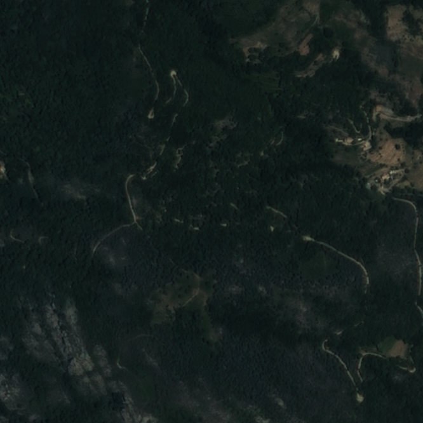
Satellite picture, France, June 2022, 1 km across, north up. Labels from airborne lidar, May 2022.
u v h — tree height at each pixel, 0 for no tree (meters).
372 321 13
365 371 10
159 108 11
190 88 8
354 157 0
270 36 0
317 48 10
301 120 16
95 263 18
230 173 15
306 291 7
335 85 16
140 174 8
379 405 7
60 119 17
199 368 9
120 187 10
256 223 11
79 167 7
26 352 10
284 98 15
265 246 14
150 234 10
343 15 0
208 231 11
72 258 10
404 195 10
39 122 17
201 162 10
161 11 14
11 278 11
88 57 10
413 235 9
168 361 7
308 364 6
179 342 7
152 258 11
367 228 8
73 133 13
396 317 8
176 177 17
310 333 12
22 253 12
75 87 18
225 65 23
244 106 17
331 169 19
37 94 23
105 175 6
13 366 16
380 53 0
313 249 14
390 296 18
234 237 11
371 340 19
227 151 9
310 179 8
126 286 11
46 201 15
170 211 15
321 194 13
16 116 0
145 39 15
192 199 23
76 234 11
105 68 9
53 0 6
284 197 12
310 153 16
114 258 0
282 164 20
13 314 11
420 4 19
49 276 8
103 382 0
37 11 14
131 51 6
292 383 8
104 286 6
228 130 12
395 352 0
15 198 25
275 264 9
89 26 12
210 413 0
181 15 18
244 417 7
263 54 16
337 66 14
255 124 15
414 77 0
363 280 15
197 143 11
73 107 18
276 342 7
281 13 0
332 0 0
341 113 10
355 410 8
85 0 11
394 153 0
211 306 12
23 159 16
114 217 14
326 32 24
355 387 7
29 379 11
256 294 16
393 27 0
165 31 23
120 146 15
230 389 8
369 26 8
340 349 14
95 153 12
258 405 8
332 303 8
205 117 10
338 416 11
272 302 8
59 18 12
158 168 14
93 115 10
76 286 16
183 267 7
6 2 9
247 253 6
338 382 6
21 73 15
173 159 14
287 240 13
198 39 18
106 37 13
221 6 14
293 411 8
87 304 15
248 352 12
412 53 0
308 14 0
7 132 12
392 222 12
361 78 13
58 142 11
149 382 0
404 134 17
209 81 17
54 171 10
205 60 13
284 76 16
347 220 9
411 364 8
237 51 18
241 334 12
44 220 14
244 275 12
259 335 12
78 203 8
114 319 7
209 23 16
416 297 13
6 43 7
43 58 13
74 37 13
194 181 16
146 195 7
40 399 9
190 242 15
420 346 18
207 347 8
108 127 18
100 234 10
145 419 0
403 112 8
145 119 9
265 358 14
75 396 6
